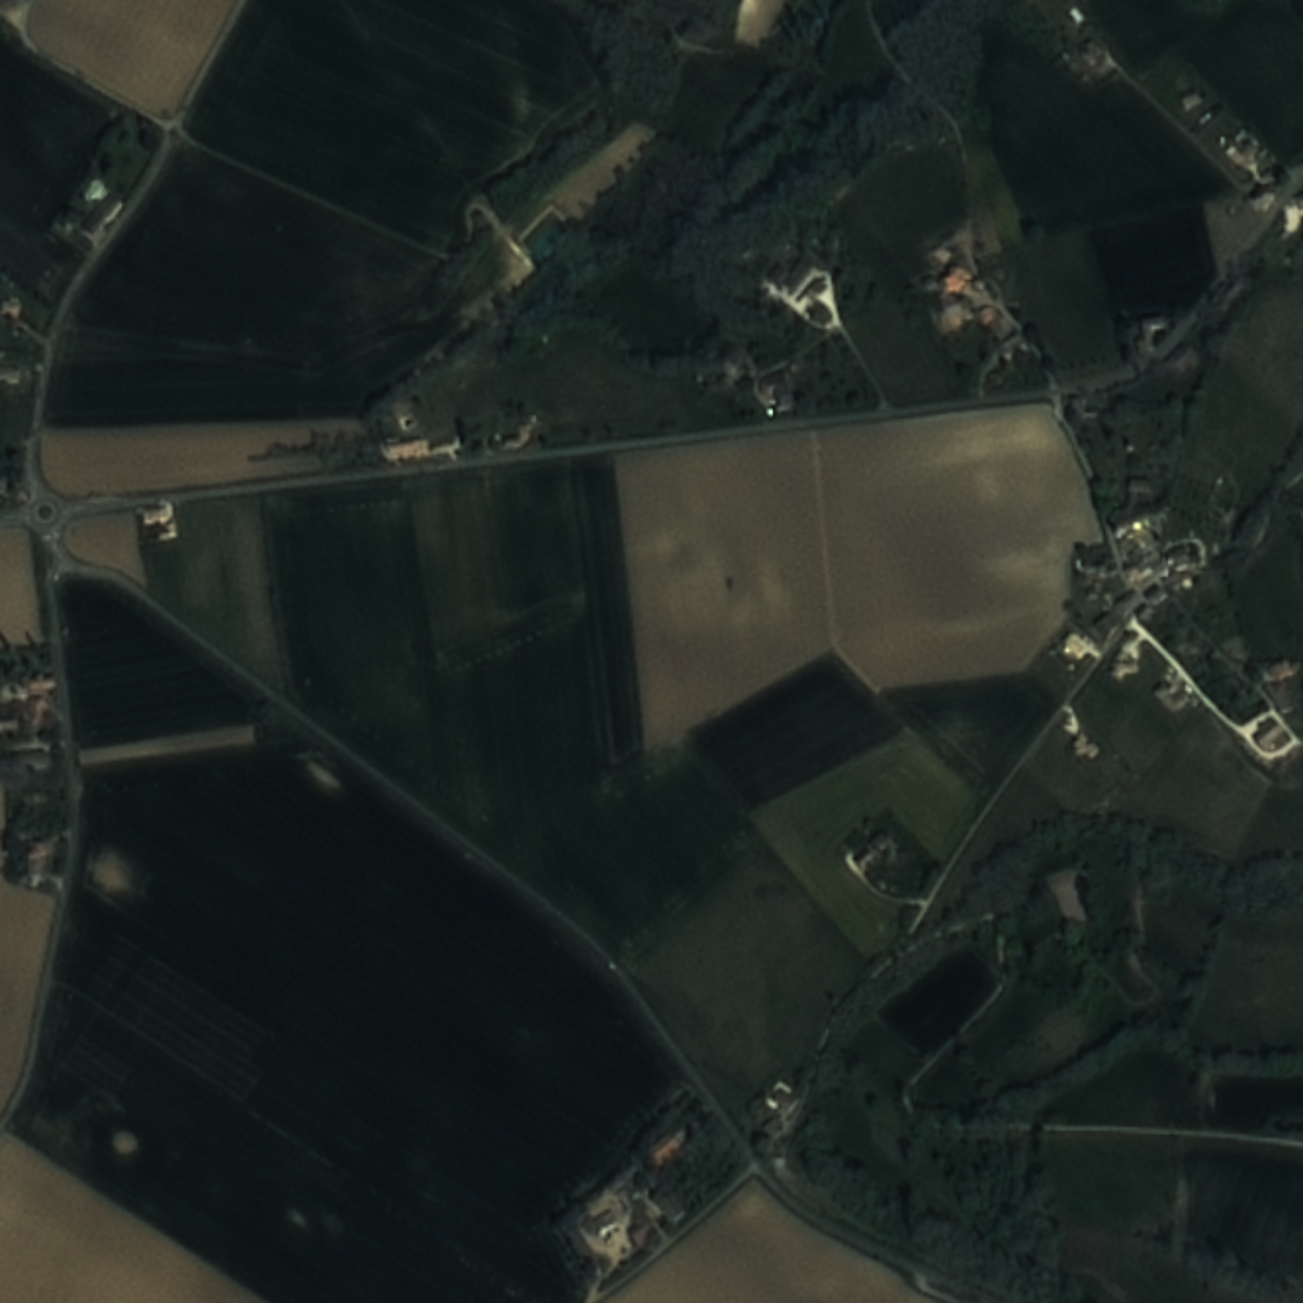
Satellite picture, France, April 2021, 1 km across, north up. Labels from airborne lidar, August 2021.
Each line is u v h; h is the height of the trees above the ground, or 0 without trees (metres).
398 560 0
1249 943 0
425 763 0
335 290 0
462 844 0
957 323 0
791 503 0
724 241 26
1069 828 9
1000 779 0
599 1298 0
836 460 0
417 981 0
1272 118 0
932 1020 0
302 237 0
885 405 0
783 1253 0
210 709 0
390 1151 0
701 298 22
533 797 0
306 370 0
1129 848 11
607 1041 0
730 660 0
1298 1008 0
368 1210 0
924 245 0
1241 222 0
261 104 0
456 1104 0
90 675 0
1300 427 0
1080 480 0
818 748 0
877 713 0
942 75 20
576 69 0
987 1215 19
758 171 21
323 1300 0
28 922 0
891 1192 8
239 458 0
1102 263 0
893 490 0
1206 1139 0
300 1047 0
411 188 0
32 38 0
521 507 0
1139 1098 0
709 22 17
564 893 0
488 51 0
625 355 8
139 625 0
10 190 0
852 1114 0
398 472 0
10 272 9
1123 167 0
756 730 0
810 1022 0
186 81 0
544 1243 0
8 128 0
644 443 0
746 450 0
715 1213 0
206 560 0
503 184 11
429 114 0
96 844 0
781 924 0
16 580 0
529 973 0
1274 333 0
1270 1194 0
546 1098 0
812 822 0
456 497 0
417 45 0
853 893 0
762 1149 14
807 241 12
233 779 0
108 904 0
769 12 0
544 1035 0
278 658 0
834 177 21
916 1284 0
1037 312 0
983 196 0
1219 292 8
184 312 0
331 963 0
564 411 0
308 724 0
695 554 0
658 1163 9
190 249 0
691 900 0
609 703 0
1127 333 8
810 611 0
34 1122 0
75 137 0
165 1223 0
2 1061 0
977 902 15
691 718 0
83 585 0
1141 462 11
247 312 0
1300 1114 0
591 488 0
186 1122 0
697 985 0
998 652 0
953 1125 16
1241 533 10
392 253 0
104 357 0
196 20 0
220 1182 0
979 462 0
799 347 14
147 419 0
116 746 0
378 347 0
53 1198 0
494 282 0
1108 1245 0
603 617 0
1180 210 0
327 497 0
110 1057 0
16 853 12
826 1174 20
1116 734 0
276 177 0
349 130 0
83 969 0
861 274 11
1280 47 0
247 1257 0
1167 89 0
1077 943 11
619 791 0
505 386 0
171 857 0
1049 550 0
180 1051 0
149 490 0
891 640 0
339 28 0
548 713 0
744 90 0
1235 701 10
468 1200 0
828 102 0
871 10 0
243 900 0
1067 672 0
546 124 0
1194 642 10
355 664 0
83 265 0
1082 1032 0
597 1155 0
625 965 0
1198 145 0
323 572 0
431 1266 0
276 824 0
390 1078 0
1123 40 0
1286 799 0
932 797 0
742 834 0
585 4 18
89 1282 0
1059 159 0
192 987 0
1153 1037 14
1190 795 0
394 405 13
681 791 0
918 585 0
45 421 0
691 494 0
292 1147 0
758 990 0
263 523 0
